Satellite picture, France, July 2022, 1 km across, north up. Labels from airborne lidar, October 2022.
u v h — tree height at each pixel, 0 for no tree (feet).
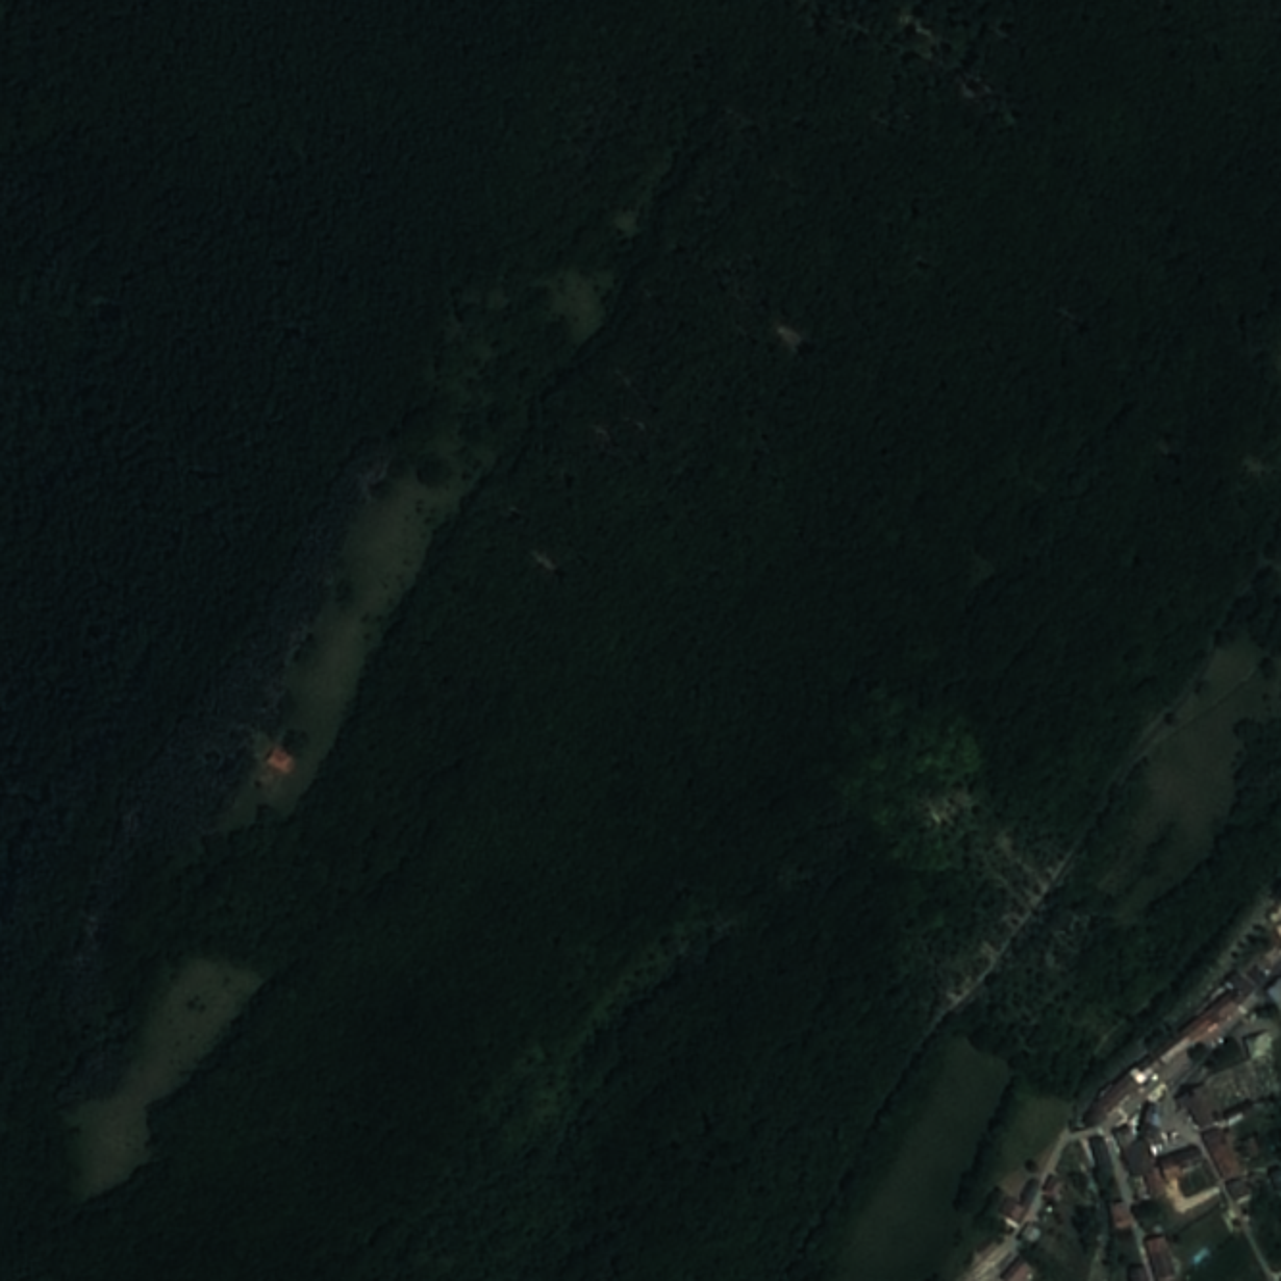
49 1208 73
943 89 98
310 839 71
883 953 98
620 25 78
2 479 66
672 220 75
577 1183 96
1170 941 54
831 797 95
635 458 82
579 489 88
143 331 106
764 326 96
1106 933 52
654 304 84
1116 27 90
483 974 97
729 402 107
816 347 101
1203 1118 0
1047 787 66
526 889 95
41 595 104
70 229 105
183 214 81
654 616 83
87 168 108
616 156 86
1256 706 0
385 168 85
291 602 69
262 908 43
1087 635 91
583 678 79
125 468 103
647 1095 69
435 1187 66
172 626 76
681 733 89
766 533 79
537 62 58
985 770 56
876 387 79
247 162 90
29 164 74
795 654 96
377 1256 63
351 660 0
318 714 0
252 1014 51
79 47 102
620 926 92
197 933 42
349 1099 88
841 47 78
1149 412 89
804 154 82
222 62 72
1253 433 80
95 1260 82
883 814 60
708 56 39
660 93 73
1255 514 27
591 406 87
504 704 92
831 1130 52
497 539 74
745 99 84
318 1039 89
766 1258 68
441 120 65
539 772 85
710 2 88
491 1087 67
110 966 52
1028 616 98
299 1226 89
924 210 95
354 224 87
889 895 93
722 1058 90
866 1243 0
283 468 73
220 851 52
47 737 95
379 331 77
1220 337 103
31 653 104
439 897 79
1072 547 78
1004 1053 65
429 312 57
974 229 97
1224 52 69
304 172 100
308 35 79
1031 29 103
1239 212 96
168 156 94
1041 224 70
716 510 94
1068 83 97
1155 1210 39
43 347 73
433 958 82
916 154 94
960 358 103
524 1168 38
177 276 105
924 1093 38
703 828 77
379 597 0
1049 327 101
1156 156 83
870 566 92
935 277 93
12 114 72
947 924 62
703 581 71
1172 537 106
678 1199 68
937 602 98
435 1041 97
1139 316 48
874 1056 64
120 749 58
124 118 100
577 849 94
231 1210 87
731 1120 83
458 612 76
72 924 58
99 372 90
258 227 107
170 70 84
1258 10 57
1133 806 17
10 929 46
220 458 89
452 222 59
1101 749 37
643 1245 74
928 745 86
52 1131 53
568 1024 69
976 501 61
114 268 108
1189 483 95
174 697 67
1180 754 0
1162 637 22
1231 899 60
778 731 96
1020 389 90
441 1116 92
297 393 89
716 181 71
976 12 89
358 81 84
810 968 103
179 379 103
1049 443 66
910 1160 0
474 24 80
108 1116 0
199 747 77
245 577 72
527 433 28
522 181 54
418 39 70
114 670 80
